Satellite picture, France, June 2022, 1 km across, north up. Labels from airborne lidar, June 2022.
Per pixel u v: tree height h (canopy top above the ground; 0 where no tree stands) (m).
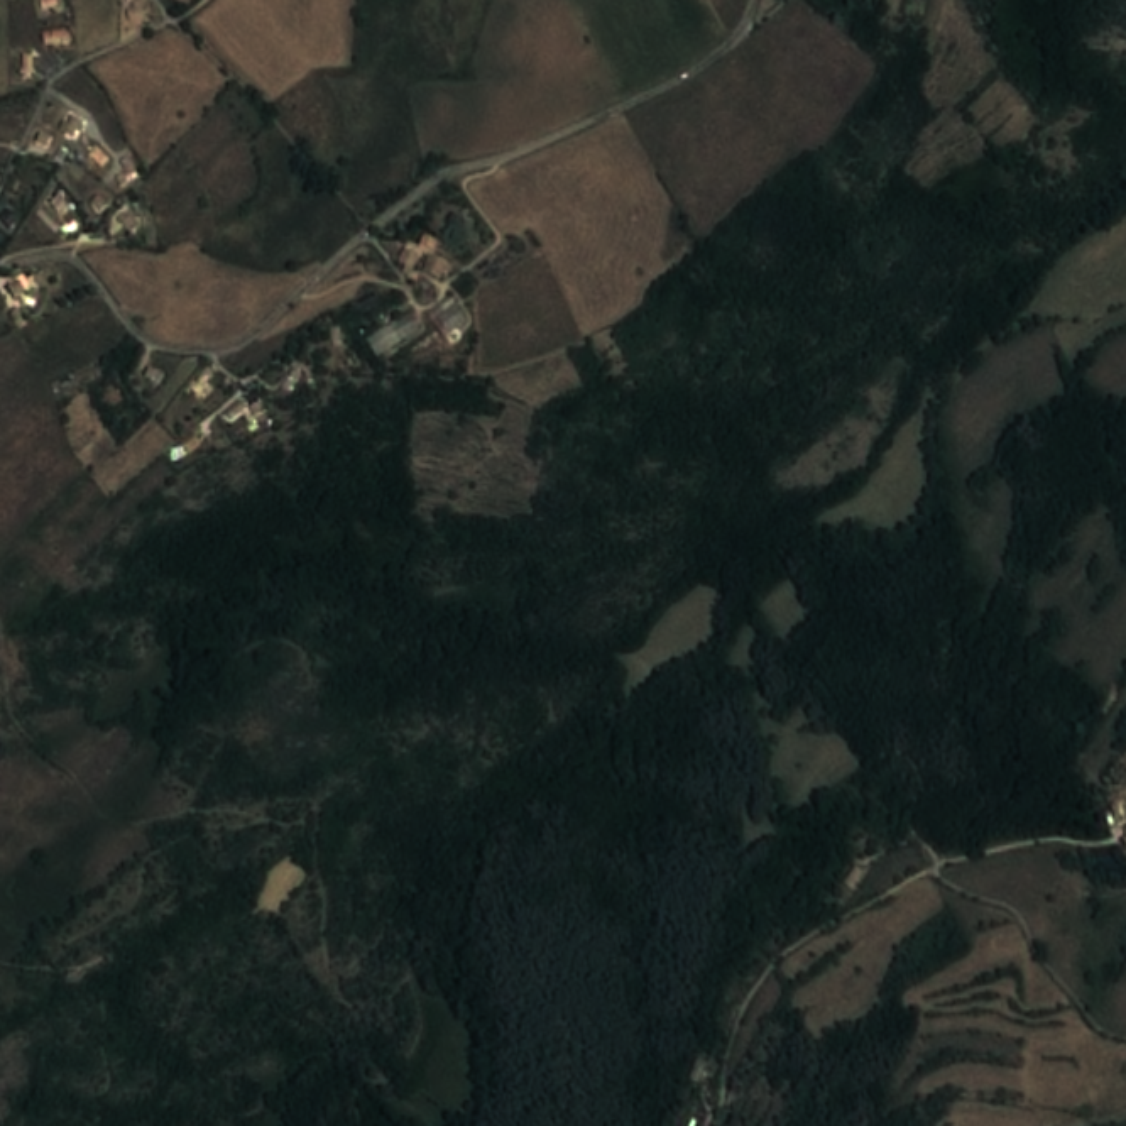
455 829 19
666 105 0
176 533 9
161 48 0
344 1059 21
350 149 0
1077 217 11
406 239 13
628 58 0
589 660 17
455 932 32
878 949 0
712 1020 10
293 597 13
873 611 18
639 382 11
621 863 21
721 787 18
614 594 9
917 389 14
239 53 0
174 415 0
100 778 0
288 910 11
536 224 0
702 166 0
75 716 0
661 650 0
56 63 0
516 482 0
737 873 12
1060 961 0
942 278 7
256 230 0
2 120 0
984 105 0
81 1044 6
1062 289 0
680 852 23
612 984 23
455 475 0
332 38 0
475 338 6
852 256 13
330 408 6
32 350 0
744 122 0
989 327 17
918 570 14
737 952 9
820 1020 0
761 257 6
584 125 0
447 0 0
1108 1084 0
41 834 0
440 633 11
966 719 14
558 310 0
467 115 0
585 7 0
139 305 0
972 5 9
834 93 0
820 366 8
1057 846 0
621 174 0
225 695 9
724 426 9
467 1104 15
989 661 26
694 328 6
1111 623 0
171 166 0
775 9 0
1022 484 13
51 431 0
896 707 14
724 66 0
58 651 6
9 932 0
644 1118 16
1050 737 12
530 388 0
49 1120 6
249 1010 10
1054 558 8
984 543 0
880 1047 11
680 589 17
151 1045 11
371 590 14
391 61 0
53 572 0
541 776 14
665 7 0
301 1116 10
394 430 9
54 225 0
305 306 0
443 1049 0
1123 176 12
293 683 0
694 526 13
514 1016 20
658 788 9
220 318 0
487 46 0
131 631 8
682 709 15
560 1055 8
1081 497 13
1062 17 11
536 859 12
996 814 8
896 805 8
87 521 0
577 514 10
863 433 0
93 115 0
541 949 12
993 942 0
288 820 11
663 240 0
